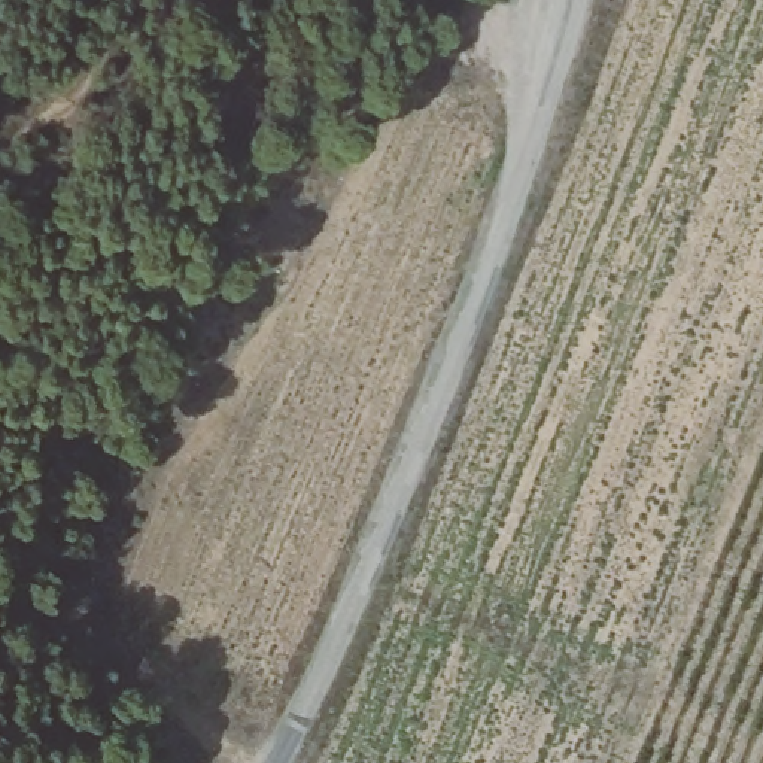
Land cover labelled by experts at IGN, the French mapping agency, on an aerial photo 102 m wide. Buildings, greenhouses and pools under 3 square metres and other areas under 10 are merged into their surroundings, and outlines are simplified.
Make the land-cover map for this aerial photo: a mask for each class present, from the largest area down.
<instances>
[{"label":"vineyard","instance_id":"1","mask_svg":"<svg viewBox=\"0 0 763 763\"><path fill-rule=\"evenodd\" d=\"M420 566V572L414 578H402L405 587H411L414 593L426 590L438 599L432 611H423L417 602L402 599H396L384 611L379 635L364 659L361 677L352 686V694L340 712L337 727L331 730V742L325 751L331 763H763V0H629L620 27L611 39L608 57L602 63L590 110L575 137L572 155L554 188L548 212L536 229L534 247L519 271L504 319L492 340L486 367L480 373L477 390L471 393V402L465 408L462 429L453 441V450L447 453L426 516L420 522L417 542L408 557ZM456 104V98L444 89L426 107L408 113L405 119L379 125L376 137V149L367 155V161L346 170L340 200L328 212V221L310 247L283 250L274 307H268L259 322L244 325L241 340L229 343L227 367L238 379L235 390L218 399L212 411L200 417L188 414L176 426L182 435V447L170 456L155 492L140 507L146 510V522L140 534L128 542V554L122 560L128 584L152 587L155 596H173L179 602L182 614L173 632L167 635V647H182L194 638H221L229 671L241 668L244 674H250L253 686L256 680H274V671L289 668V659L310 626L313 611L319 608V596L349 534V519L355 516L367 492L379 453L387 441V429L417 367L423 340L435 322L447 325L450 313L438 304L447 295L453 262L468 235V224L444 203V194L462 188V179L474 170L477 161L492 158V140L480 131H471L468 122L447 119V110Z\"/></svg>","mask_w":763,"mask_h":763},{"label":"coniferous trees","instance_id":"2","mask_svg":"<svg viewBox=\"0 0 763 763\"><path fill-rule=\"evenodd\" d=\"M498 3L510 0H0V763H221L218 757L224 733V700L232 683L229 671L221 638H194L182 647H167V635L173 632L182 614L179 602L173 596H155L152 587L128 584L122 560L128 554V542L140 534L146 522V510L140 507L155 492L170 456L182 447V435L176 426L188 414L200 417L212 411L218 399L235 390L238 379L227 367L229 343L241 340L244 325L259 322L268 307H274L283 250L310 247L328 221V212L319 206H307L298 197L307 167L319 158V140L355 137L358 143H364L370 134L376 137L379 125L405 119L408 113L426 107L450 83L453 66L465 51L477 45V39L483 15Z\"/></svg>","mask_w":763,"mask_h":763},{"label":"herbaceous vegetation","instance_id":"3","mask_svg":"<svg viewBox=\"0 0 763 763\"><path fill-rule=\"evenodd\" d=\"M629 0H593L587 30L578 45V57L572 60L569 80L563 83V101L557 104L551 134L545 140V155L534 176L525 212L519 218L510 256L501 268L492 301L483 307V319L474 337L462 384L441 426V435L429 453L426 471L408 501L405 519L384 551V566L373 581L370 605L358 623L346 659L331 683V691L319 706V715L313 718V727L307 730L316 748L325 751L331 742V730L337 727L340 712L352 694V686L361 677L364 659L379 635L384 611L396 599H402L417 602L423 611H432L438 599L426 590L414 593L411 587H405L402 578H414L420 572V566L408 557L417 542L420 522L426 516L447 453L453 450V441L462 429L465 408L471 402V393L477 390L480 373L486 367L492 340L504 319L519 271L534 247L536 229L548 212L554 188L572 155L575 137L590 110L602 63L608 57L611 39L620 27ZM492 54L477 39V45L465 51L453 66L450 83L444 89L456 98V104L447 110V119L468 122L471 131H480L492 140V158L477 161L474 170L462 179V188L444 194V203L468 224V235L453 262L447 295L438 304L450 313L468 277V265L480 253L483 235L489 229L495 188L507 161V77L501 69L489 66ZM376 149V137L370 134L364 143H358L355 137L319 140V158L307 167L298 197L307 206H319L328 212L340 200L346 170L367 161V155ZM447 334V325L435 322L423 340L417 367L387 429V441L379 453L367 492L355 516L349 519V534L319 596V608L313 611L310 626L289 659V668L274 671V680H256L253 686L250 674H244L241 668L229 671L232 683L224 700V733L232 742L253 745L256 739L262 742L280 724L325 635L343 581L352 563L358 560V542L367 531V519L393 465L411 408L426 379L429 358L438 349V340Z\"/></svg>","mask_w":763,"mask_h":763},{"label":"impervious surface","instance_id":"4","mask_svg":"<svg viewBox=\"0 0 763 763\"><path fill-rule=\"evenodd\" d=\"M593 0H510L498 3L483 15L477 39L492 54L489 66L501 69L507 77V161L495 188L489 229L483 235L480 253L468 265V277L450 313L447 325V334L438 340V349L429 358L426 379L411 408L393 465L367 519V531L358 542V560L352 563L343 581L325 635L280 724L262 742L256 739L253 745L232 742L224 733L218 757L221 763H331L325 751L316 748L307 730L313 727V718L319 715V706L331 691V683L346 659L358 623L370 605L373 581L384 566V551L405 519L408 501L426 471L429 453L441 435V426L462 384L474 337L483 319V307L492 301L501 268L510 256L519 218L525 212L534 176L545 155V140L551 134L557 104L563 101V83L569 80L572 60L578 57V45L587 30Z\"/></svg>","mask_w":763,"mask_h":763}]
</instances>
